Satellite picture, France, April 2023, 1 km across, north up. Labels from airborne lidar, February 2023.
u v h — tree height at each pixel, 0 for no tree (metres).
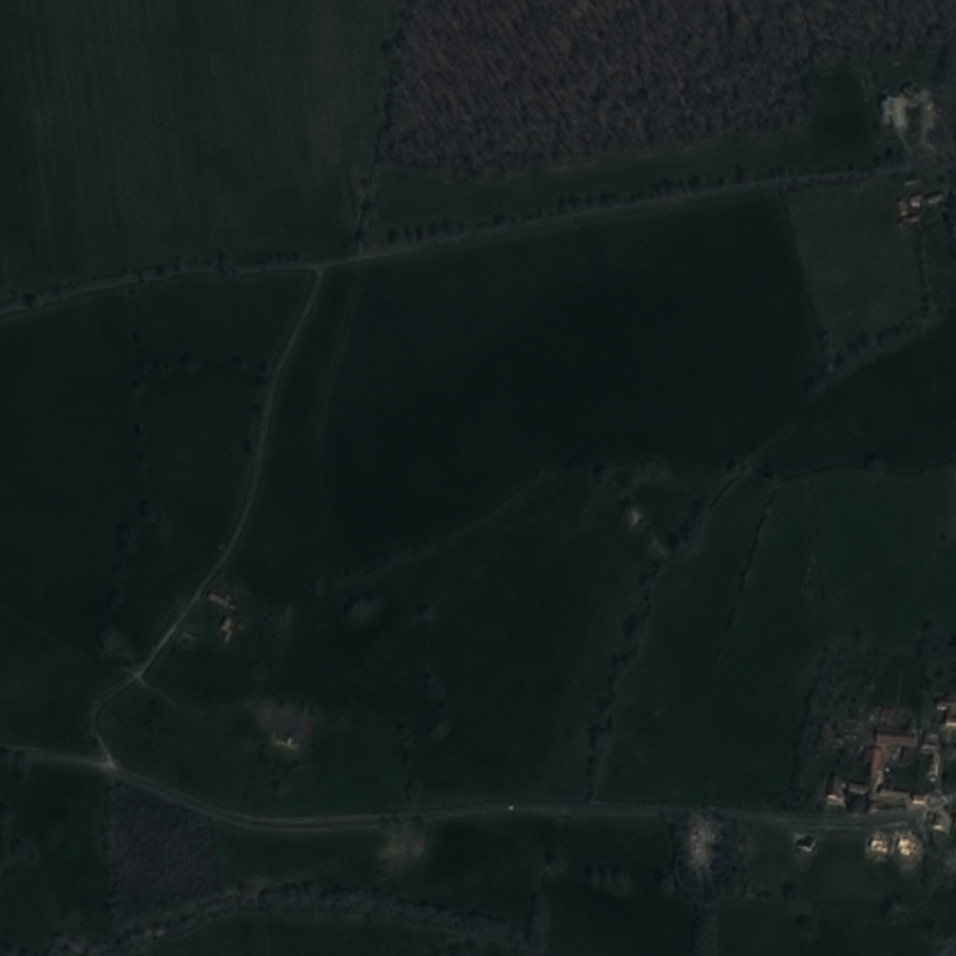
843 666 12
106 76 0
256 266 0
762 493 0
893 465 0
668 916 0
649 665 0
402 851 0
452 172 21
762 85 17
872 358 20
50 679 0
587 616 0
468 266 0
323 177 0
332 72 0
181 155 0
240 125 0
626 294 0
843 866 0
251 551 0
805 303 0
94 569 0
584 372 0
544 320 0
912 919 0
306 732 0
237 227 0
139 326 0
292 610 0
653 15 25
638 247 0
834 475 0
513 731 0
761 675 0
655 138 23
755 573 0
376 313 0
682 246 0
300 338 0
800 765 6
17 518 0
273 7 0
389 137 16
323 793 0
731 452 0
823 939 0
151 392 0
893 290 0
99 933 0
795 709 0
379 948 0
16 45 0
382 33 0
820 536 0
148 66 0
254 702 0
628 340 0
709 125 21
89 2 0
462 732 0
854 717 11
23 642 0
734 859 18
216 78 0
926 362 0
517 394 0
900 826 0
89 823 0
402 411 0
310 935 0
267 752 10
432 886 0
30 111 0
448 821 0
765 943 0
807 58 19
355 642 0
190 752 0
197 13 0
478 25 24
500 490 0
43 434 0
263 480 0
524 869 0
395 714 0
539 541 0
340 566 0
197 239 0
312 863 0
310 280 0
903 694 0
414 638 0
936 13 20
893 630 0
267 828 0
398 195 0
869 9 25
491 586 0
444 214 0
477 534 0
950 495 0
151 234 0
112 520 0
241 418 0
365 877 0
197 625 0
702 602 0
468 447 0
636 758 0
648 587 13
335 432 0
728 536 0
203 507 0
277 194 0
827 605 0
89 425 0
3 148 0
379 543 0
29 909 0
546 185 0
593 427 0
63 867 0
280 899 16
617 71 19
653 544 16
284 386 0
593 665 0
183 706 0
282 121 0
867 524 0
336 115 0
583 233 0
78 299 0
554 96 25
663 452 0
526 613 0
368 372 0
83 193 0
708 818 10
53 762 0
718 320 0
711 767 0
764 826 0
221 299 0
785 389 0
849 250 0
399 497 0
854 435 0
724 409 0
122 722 0
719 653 0
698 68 18
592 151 20
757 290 0
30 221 0
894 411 0
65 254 0
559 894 0
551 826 0
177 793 0
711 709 0
